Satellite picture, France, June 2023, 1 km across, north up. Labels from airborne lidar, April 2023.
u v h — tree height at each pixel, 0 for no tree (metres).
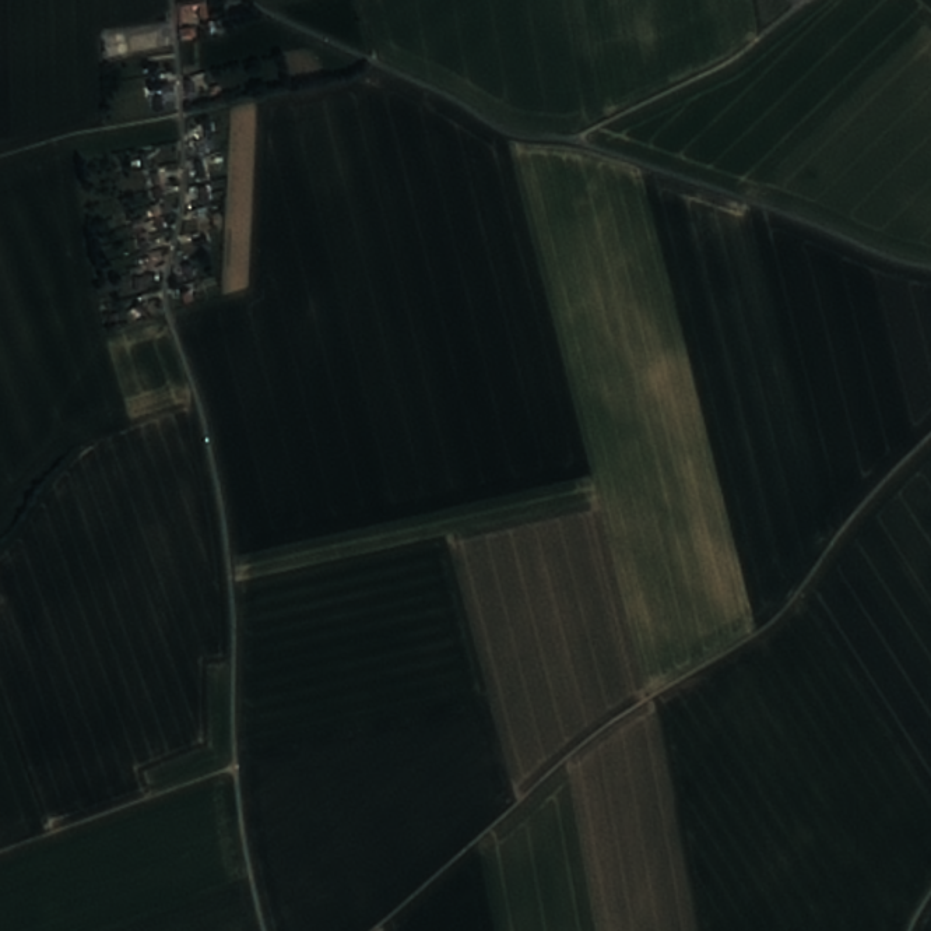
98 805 0
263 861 0
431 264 0
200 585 0
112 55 0
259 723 0
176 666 0
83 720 0
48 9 0
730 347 0
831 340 0
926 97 0
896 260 0
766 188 0
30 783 0
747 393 0
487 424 0
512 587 0
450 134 0
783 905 0
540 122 0
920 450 0
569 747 0
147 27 0
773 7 0
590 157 0
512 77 0
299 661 0
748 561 0
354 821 0
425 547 0
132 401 0
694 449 0
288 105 0
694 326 0
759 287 0
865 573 0
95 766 0
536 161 0
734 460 0
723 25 0
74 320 0
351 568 0
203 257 13
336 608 0
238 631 0
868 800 0
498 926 0
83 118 0
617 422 0
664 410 0
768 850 0
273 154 0
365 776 0
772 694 0
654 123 0
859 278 0
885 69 0
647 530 0
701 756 0
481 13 0
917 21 0
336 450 0
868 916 0
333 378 0
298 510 0
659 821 0
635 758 0
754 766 0
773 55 0
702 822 0
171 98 0
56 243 0
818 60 0
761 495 0
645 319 0
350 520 0
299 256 0
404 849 0
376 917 0
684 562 0
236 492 0
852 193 0
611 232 0
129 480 0
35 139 0
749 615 0
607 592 0
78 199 0
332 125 0
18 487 0
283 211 0
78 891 0
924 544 0
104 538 0
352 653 0
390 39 0
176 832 0
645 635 0
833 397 0
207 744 0
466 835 0
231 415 0
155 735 0
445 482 0
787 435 0
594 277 0
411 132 0
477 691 0
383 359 0
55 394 0
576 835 0
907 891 0
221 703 0
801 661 0
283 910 0
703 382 0
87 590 0
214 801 0
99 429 0
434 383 0
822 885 0
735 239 0
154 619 0
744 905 0
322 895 0
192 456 0
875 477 0
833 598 0
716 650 0
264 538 0
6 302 0
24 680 0
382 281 0
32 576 0
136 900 0
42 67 0
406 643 0
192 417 0
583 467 0
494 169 0
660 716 0
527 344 0
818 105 0
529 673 0
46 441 0
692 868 0
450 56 0
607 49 0
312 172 0
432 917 0
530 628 0
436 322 0
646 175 0
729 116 0
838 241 0
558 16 0
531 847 0
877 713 0
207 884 0
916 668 0
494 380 0
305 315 0
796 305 0
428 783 0
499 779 0
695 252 0
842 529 0
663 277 0
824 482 0
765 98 0
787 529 0
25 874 0
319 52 0
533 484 0
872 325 0
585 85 0
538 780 0
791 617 0
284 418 0
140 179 0
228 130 0
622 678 0
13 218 0
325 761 0
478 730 0
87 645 0
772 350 0
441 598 0
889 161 0
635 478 0
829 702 0
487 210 0
